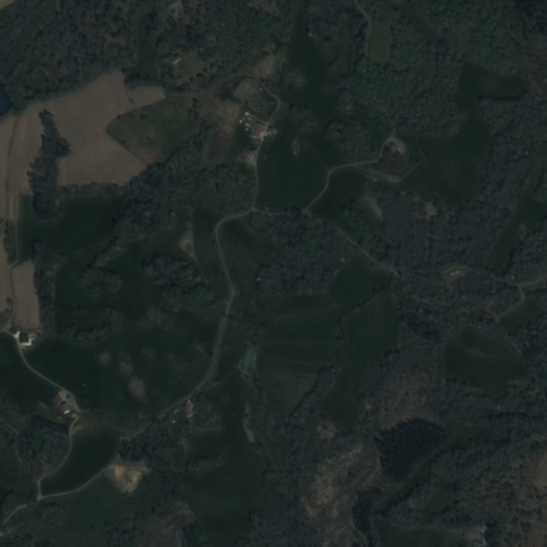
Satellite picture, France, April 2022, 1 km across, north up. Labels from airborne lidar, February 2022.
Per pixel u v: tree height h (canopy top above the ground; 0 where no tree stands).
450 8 12
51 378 0
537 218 0
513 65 12
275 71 0
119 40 26
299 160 0
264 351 0
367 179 7
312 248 17
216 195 6
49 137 18
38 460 17
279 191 0
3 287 0
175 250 0
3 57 13
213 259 0
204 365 0
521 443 20
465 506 22
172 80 16
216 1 15
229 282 0
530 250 18
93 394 0
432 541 0
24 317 0
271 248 0
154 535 0
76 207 0
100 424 0
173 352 0
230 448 0
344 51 0
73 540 0
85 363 0
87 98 0
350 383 0
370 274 0
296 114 18
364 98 19
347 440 16
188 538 19
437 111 16
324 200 0
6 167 0
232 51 15
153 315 0
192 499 0
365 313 0
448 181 0
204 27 11
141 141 0
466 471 22
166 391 0
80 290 0
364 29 16
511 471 9
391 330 0
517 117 19
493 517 24
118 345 0
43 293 20
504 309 15
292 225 19
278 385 0
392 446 22
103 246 0
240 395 0
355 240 0
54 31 7
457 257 10
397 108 17
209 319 0
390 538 0
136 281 0
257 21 19
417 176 0
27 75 7
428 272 16
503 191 21
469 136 0
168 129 0
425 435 22
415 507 21
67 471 0
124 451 7
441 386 11
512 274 17
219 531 0
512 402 19
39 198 21
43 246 14
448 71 17
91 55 21
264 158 0
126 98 0
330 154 0
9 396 0
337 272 14
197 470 16
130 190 20
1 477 0
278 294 16
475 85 0
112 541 13
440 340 9
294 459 7
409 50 21
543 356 24
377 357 0
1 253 0
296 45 0
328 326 0
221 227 0
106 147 0
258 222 11
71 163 0
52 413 0
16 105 8
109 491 0
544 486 0
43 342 0
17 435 9
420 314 17
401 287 6
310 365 0
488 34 15
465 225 20
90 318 0
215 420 13
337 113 0
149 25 0
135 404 0
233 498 0
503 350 0
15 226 0
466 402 18
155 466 26
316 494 0
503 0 13
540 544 0
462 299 15
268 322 0
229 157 0
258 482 0
